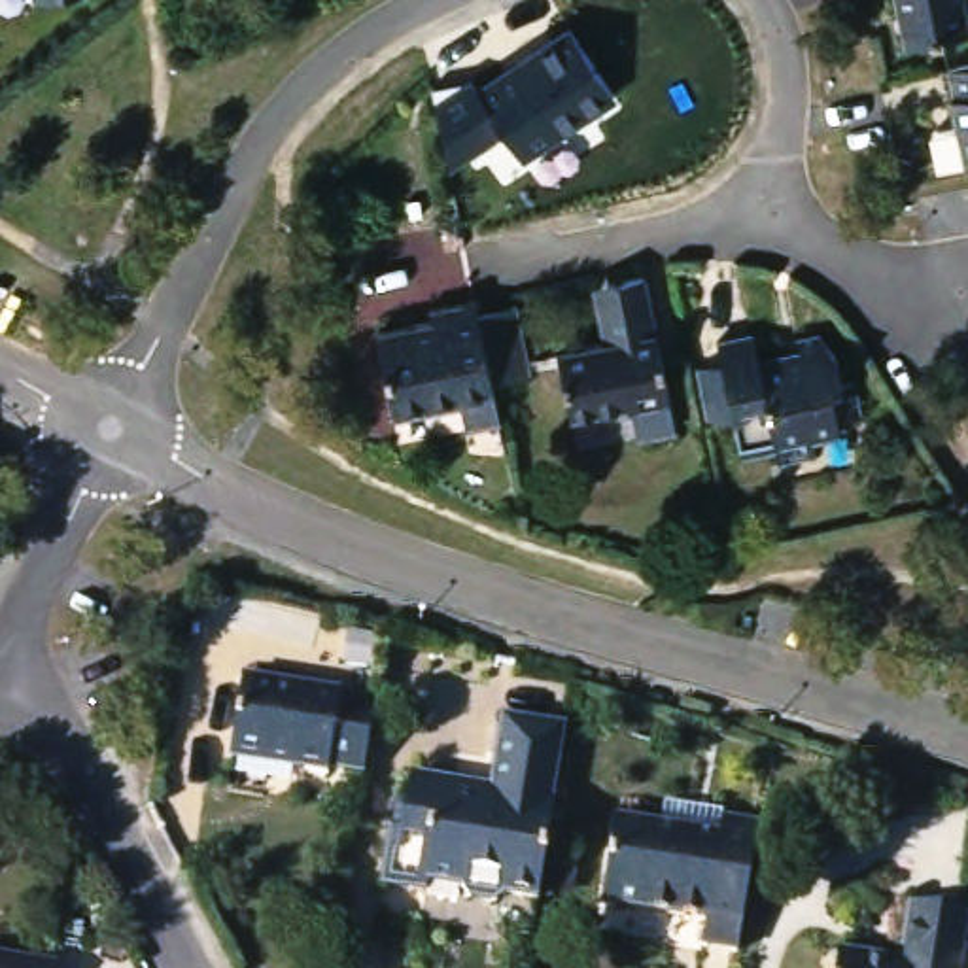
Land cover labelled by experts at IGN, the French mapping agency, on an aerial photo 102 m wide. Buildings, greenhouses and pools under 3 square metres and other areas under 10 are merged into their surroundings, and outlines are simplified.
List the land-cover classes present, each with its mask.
<instances>
[{"label":"impervious surface","instance_id":"1","mask_svg":"<svg viewBox=\"0 0 968 968\"><path fill-rule=\"evenodd\" d=\"M560 15L556 0H363V8L344 23V30L318 53L303 57L295 72L265 102H257L234 132L227 166L231 185L223 204L216 208L200 223L197 242L185 246L170 261L166 276L140 299L132 321L117 329L106 352L87 359L79 374H68L45 355L49 340L42 321L30 314L38 291L0 268V469H15L30 495V507L11 518V537L23 552L0 560V745L15 760L42 764L45 794L68 813L76 836H83L98 855V866L110 873L117 900L129 908L140 942V960H132L125 949L95 953L98 968H234L178 858L189 847L193 839H200V783H242L250 775L265 779L272 790H287L295 783L318 779L337 787L348 775L340 764L261 756L257 734L227 730V715L234 711V700H246L242 673L257 662H310L363 673L374 662V635L363 628L329 631L321 628L318 613L280 601L238 605L234 620L223 628V635L208 647L204 658L208 684L204 696L193 703L197 722L182 737V790L174 798L163 794L166 764L155 760L132 764L117 749L98 752L91 737H83L91 730L95 688L91 681H83V666L102 662L106 654L102 647L79 650V639L72 635H49L53 613L64 605H106V639H121L125 628L140 616L147 590L132 586L121 597L106 590L98 571L87 563V541L98 537L102 522L113 514H125V529L163 537L166 563L182 560L197 545L208 560L257 556L268 567L291 571L337 594H367L389 605H412L420 613H446L454 620H469L484 631L503 635L507 643L567 654L586 666L643 677L647 684L677 692H715L737 711L768 707L790 718L794 730L821 745L847 749V775L858 787H873L877 794V817L889 824L885 839L858 851L847 847L843 855H836L824 866V881H817L805 896L790 900L787 908L764 900L756 881H749L745 892L737 945L730 968H779L798 930L821 926L828 934H843L851 930L847 919L828 915V889L866 881L870 873L889 870L892 862H900L908 877L892 885V904L881 911L877 930L892 942L904 934L911 889L926 881H968V722L949 715L945 688H923L911 700L885 692V684L877 681V654L870 647L851 677L828 681L817 666H809V654L798 647L794 609L787 601H760L756 635L749 639L692 628L681 616H650L620 601L529 579L510 567L476 560L469 552L424 541L416 533L371 522L355 510H344L337 503H325L310 492H299L250 469L246 458L227 442H200V435L185 424L182 367H208L212 352L204 337L227 310L216 303V280L250 219L261 182L272 174L276 200L287 204L295 185V155L303 151L306 136L359 79L374 76L408 49H424L427 61L435 68L431 95V102L439 106L469 87V76L461 68L510 57L514 49L541 38ZM821 4V0H730V15L741 23L749 42L756 95L749 117L734 121L730 144L718 155H711L700 178L681 174L662 185L628 189L616 204L601 197L522 227L473 234L458 238L420 204H408L405 216L408 219L401 223L397 238H382L363 253L333 257V276L344 280V291H359L355 314L363 329L378 325L401 303H424L450 287H465L476 276H495L514 291V299L518 291H545L548 303L567 314L594 299L601 284L643 280L639 291L620 299V306L628 340L635 348H650L662 355L673 431H684V371H696L703 355H715L718 340L749 318L737 268L752 265L775 272V291L802 284L851 321L855 340H843L828 321L809 325L836 352L843 393L858 397L866 386V363H889V374L900 389H911V382H919L934 393L938 405H968V189H964V193H960V189H949V193H942V197H923V193H919L911 197V204H904L885 238H870L843 242L839 219L821 208V200L809 189L813 132H821L824 125L836 129L843 121L855 132L847 147L858 151H866L877 140L885 136V113L892 106H900L911 95H938L945 91V79L934 76L904 79L885 95H877L870 106L828 110L809 91V64L817 61L809 49H798V34L813 30ZM681 261L703 268L700 306L692 314L673 318L666 295V265ZM934 174H960V166L957 136H934ZM473 170H492L499 182L533 178L537 185H560L579 170V159L556 155L522 163L510 147L495 144L480 151L473 163ZM446 427L469 450L499 458L503 446L499 431H476L461 412H427L412 424H397V431L401 442L416 446L431 431ZM851 465L847 442H832L821 458H813L802 461L798 473L836 469ZM495 681L476 684L469 692V707L458 718L427 730L412 734L397 749L389 771V798H405L408 768H416L420 756L442 745L458 749V760L488 764L495 756V734L507 711V696L514 688H537L560 700L567 696L563 681L526 677L518 673L514 658L499 654ZM537 892L526 881L510 885L503 877H495V885H484L469 870L458 881L439 877L431 885H416L412 896L420 908H427L435 919L465 923L476 942H499L503 919L522 915ZM609 911L601 915L594 926L597 945L605 953L597 968H647V957L662 953L669 942L681 964L696 960L703 938V911L681 908L673 900L635 908L624 896H605Z\"/></svg>","mask_w":968,"mask_h":968},{"label":"herbaceous vegetation","instance_id":"2","mask_svg":"<svg viewBox=\"0 0 968 968\"><path fill-rule=\"evenodd\" d=\"M76 8L68 0H0V76L34 42H42L49 30L72 19ZM144 0H132L102 38L87 45L68 42L72 53L64 64H45L30 83L0 87V159L15 151L30 170H38L30 189H0V219L15 223L19 231L34 234L38 242L72 261V272L64 276L0 238V268L38 291L57 295L64 287L79 314L110 318L117 329L132 321L140 299L117 280L113 261H98V246L113 227L121 197L91 193L87 163L98 159L132 170L140 166L144 144L155 136L151 61L140 19ZM363 8V0H321L318 19L303 26L299 42L250 45L246 53H234L219 64H197L189 72L170 68V113L155 170L182 193L208 200L216 208L223 204L231 185L227 166L216 159H197L185 140L204 132L208 125L234 132L257 102H265L295 72L303 57L318 53L344 30V23ZM560 15L571 23L582 49L594 57L597 72L609 79L624 106L620 117L601 129V144H594L579 159V170L560 185H537L533 178L499 182L492 170H480L473 178V234L522 227L601 197L616 204L628 189L662 185L681 174L700 178L711 155H718L730 144L734 121L749 117L756 95L749 42L741 23L730 15V0H556ZM673 87L688 91V113L673 106ZM821 4L839 23H847L862 42L847 68L817 61L809 64V91L828 110L870 106L877 95H885L881 53L873 42H866L881 23V4L889 0H821ZM427 61L424 49H408L374 76L359 79L306 136L303 151L295 155V185L306 197H314L321 185L352 170V178L371 197H378L389 216H405L408 204L412 174L427 170L424 147H439V106L431 102V95L416 98L412 106L405 102L397 113L405 121L397 132L401 159H355L348 147L374 121L382 95L389 87H401ZM855 132L843 121L836 129L824 125L821 132H813L809 189L821 200V208L839 219L843 242L870 238L858 208L843 204V185L855 182L858 151L847 147ZM949 189H960V193H964V189H968V166H960V174H930V178H926V182L919 185V193H923V197H942V193H949ZM287 204L276 200L272 174L261 182L250 219L216 280V303L227 310L231 291L246 276H287ZM703 268L681 261L666 265V295L673 318L692 314L700 306ZM749 318L809 325L828 321L843 340H855L851 321L802 284L775 291V272L752 265L737 268ZM318 348L306 337L291 344V371L284 378L306 382ZM45 355L68 374H79L87 359L106 352L98 340H49ZM571 397L560 386L556 359H545L537 363V378L529 386L533 461L556 465L563 458L571 469L594 476L597 484L590 492L582 522L609 526L628 537L647 533L658 522V514L673 522L692 518L707 537H730L734 522L749 510V488L775 480L779 473H798L802 461L813 458L805 442H798V435L787 439L771 431L768 439H749L741 427L734 435L737 450L726 458L730 473L700 480V442L684 431H673V439L666 442L643 446L624 442L616 427L605 424L563 427ZM185 424L200 435V442H227V431L242 416L231 401H223L212 389L208 367H182ZM938 469L953 484L945 495L934 499L938 514L968 510V420H960L953 450H934ZM250 469L299 492H310L325 503H337L344 510H355L371 522L416 533L424 541L469 552L476 560L510 567L529 579L620 601L650 616H677L669 601H662V594L647 582L643 590H628L620 582L594 579L563 563L514 552L480 533L431 518L393 495L363 488L318 454L299 450L284 431H261L246 458ZM435 503L492 522L503 514V499L518 495V476L514 454L503 446L499 458L469 450L424 492ZM858 484L839 473L832 488H798L794 518L817 522L858 510ZM919 518L904 514L870 526L817 533L805 541H783L771 552L749 560L745 571L817 567L821 575L839 552L851 548L873 552L892 579L904 571V548ZM760 601H787L794 609L821 624H839V605L821 597L813 582H764L745 594L711 590L700 597L696 609L681 616L692 628L749 639L756 635ZM238 605L234 597H219V605L200 609L185 605L178 590H170L159 605V624L166 628L170 647L159 666L140 669L144 707L155 726V760L166 764L163 794L174 798L182 790V737L197 722L193 703L204 696L208 684L204 658L208 647L223 635V628L234 620ZM499 654L484 658L473 647L412 654L405 647H382L374 654V662L363 673L382 669L389 684H397L408 696L427 730L458 718L469 707V692L476 684L495 681ZM563 662L571 666V673L605 684L616 703V722L601 730L594 741L582 734L579 722L567 734L560 794L552 817L545 821L548 847L541 889L560 896L571 885H594L601 847L609 839V813L616 805H635L647 794L662 802L677 794L692 802H722L726 790H737L756 805L787 783H802L809 768H832L836 760H847V749L821 745L794 730L783 749H752L749 737L737 734L711 745L715 737L707 730L677 722L673 737L681 752L673 760H654V775L635 783L628 779V768L635 760H647L650 707H669L677 692L647 684L643 677L586 666L567 654ZM367 764L355 775V832H340L329 870L314 873L310 881L299 877L295 862L306 851H314L321 813L318 802H303V790L295 783L287 790H272L265 779L250 775L242 783H200V839H193L189 847L200 858H216L238 881L242 896H257L261 885L276 877L306 904H318L344 930V968H401L405 926L420 908L412 896L397 885H382L371 858V851L382 843L378 832L389 817V771L397 749L386 741L378 722L367 726ZM34 885V870L8 866L0 873V934H15L11 908ZM843 934H828L821 926L798 930L779 968H839ZM737 945L703 938L696 960L681 964L669 942L662 953L647 957V968H730Z\"/></svg>","mask_w":968,"mask_h":968},{"label":"building","instance_id":"3","mask_svg":"<svg viewBox=\"0 0 968 968\"><path fill-rule=\"evenodd\" d=\"M881 23L892 30L896 57H934V76L945 79V91L938 95V110L930 113L934 136H957L960 166H968V0H889L881 4ZM469 76V87L439 106V147L442 163H473L480 151L495 144L510 147L522 163L556 155L579 159L594 144H601V129L620 117L624 106L609 79L597 72L594 57L582 49L571 23L560 15L541 38L514 49L510 57L461 68ZM545 359L522 333V314L514 299V291L495 276H476L465 287H450L424 303H401L378 325L363 329H352L344 340H329L318 348L306 382L310 389H318L340 378L348 393H378V420L397 431V424H412L427 412H461L476 431H499L492 389L510 382L529 386L537 378V363ZM643 280L601 284L594 299L567 314L579 337L575 348L560 352L556 359L560 386L571 397L563 427L605 424L616 427L624 442L643 446L666 442L673 439V431L662 355L650 348H635L628 340L620 306V299L639 291ZM684 431L707 424L726 427L734 435L741 427L749 439H768L771 431L787 439L798 435V442H805L813 458H821L832 442H847L855 439V420L873 401L866 386L858 397L843 393L836 352L809 325L749 318L718 340L715 355H703L696 371H684ZM246 700H234V711L227 715V730L257 734L261 756L340 764L348 775H355L367 764V726L378 722L363 673L310 662H257L242 673ZM579 722V715H571L560 700L537 688H514L507 696V711L495 734V756L488 764L458 760V749L442 745L420 756L416 768H408L405 798H389V817L378 832L382 843L371 851V858L382 885H397L412 896L416 885H431L439 877L458 881L469 870L484 885H495V877H503L510 885L526 881L537 892L541 889L548 847L545 821L552 817L560 794L567 734ZM749 881H756V805L737 790H726L722 802H692L677 794L662 802L647 794L635 805H616L609 813V839L601 847L594 885L590 904L601 915L609 911L605 896H624L635 908L673 900L681 908L703 911V938L737 945L745 892ZM839 968H968V881H926L911 889L904 934L892 942L877 930H851L843 934ZM0 968H98L95 953L72 949L68 934H57L53 949H30L15 934H0Z\"/></svg>","mask_w":968,"mask_h":968},{"label":"deciduous trees","instance_id":"4","mask_svg":"<svg viewBox=\"0 0 968 968\"><path fill-rule=\"evenodd\" d=\"M170 68L189 72L197 64H219L234 53H246L250 45L299 42L303 26L318 19L321 0H155ZM843 204L858 208L870 238H885L904 204L896 197V163L877 140L866 151H858L855 182L843 185ZM91 193L121 197L136 200V208L132 223L125 227L129 242L113 261L117 280L140 299L166 276L170 261L185 246L197 242L200 223L216 208L208 200L182 193L155 170L151 182H136L132 170L98 159L87 163ZM287 276H246L231 291L227 310L204 337L212 352L208 367L212 389L223 401H231L242 416L280 408L291 416V427L284 431L299 450L318 454V446L325 442L337 446L352 439L359 427H374L378 420V393H348L340 378L318 389H310L306 382L284 378L291 371V344L306 337L318 348L329 340H344L352 329H363L355 314L359 291H344V280L333 276V257L363 253L382 238H397L401 223L408 219L405 216H389L378 197H371L352 178V170L321 185L314 197H306L295 185L287 204ZM30 314L42 321L49 340H98L106 352L117 329L110 318L79 314L64 287L57 295L38 291ZM522 314V333L545 359H556L560 352L575 348L579 337L567 314L548 303L545 291H518L514 299ZM866 386L873 401L855 420V439L847 442L851 465L836 469L839 473L858 484V510L870 526L904 514L919 518L904 548V571L892 579L873 552L851 548L839 552L821 575L813 582L821 597L839 605V624H821L794 609L798 647L809 654V666H817L828 681L851 677L870 647L877 654V681L885 684V692L911 700L923 688H945L949 715L968 722V510L938 514L934 499L945 495L953 484L938 469L934 450H953L960 420H968V405H938L934 393L919 382H911V389H900L889 374V363H866ZM597 484L594 476L571 469L563 458L556 465L533 461V469L518 476V495L503 499V514L492 522L533 541L560 545L567 552L631 567L647 582L662 594V601H669L677 616H681L696 609L700 597L711 590V582L737 579L745 571L749 560L771 552L783 541L771 533V522L749 510L734 522L730 537H707L692 518L673 522L658 514V522L647 533L628 537L609 526L582 522L590 492ZM30 507V495L15 469H0V560L23 552L11 537V518ZM76 836L68 813L45 794L42 764L15 760L0 745V873L8 866L34 870L57 877V870L64 866V843ZM889 824L877 817V794L873 787H858L847 775V760H836L832 768H809L802 783H787L756 805V881L764 900L787 908L790 900L805 896L817 881H824V866L836 855H843L847 847L858 851L885 839Z\"/></svg>","mask_w":968,"mask_h":968},{"label":"brushwood","instance_id":"5","mask_svg":"<svg viewBox=\"0 0 968 968\"><path fill-rule=\"evenodd\" d=\"M76 8L72 19L49 30L42 42H34L0 76V87L30 83L45 64H64L72 53L68 42L87 45L102 38L132 0H68ZM862 42L847 23H839L821 4L813 30L798 34V49H809L817 61L847 68ZM866 42H873L881 53L885 95L904 79L934 76V57H896L892 30L881 23ZM435 68L427 61L401 87H389L382 95L374 121L348 147L355 159H401L397 132L405 121L397 113L405 102L412 106L416 98L431 95ZM938 110V95H911L900 106H892L885 113V136L877 140L896 163V197L904 204H911V197L919 193V185L926 182V178H930V174H934V136L930 113ZM234 132L208 125L204 132L185 140L197 159H216L227 166ZM427 170L412 174L408 204H420L458 238L473 234V178L480 170H473V163H442L439 147H424ZM38 170H30L15 151L0 159V189H30ZM499 431L503 446L514 454L518 476L533 469V461L529 386L510 382L492 389ZM363 469L424 492L469 450L446 427L431 431L416 446L401 442L397 431L378 420L374 427H359L352 439L337 446ZM700 442V480L730 473L726 458L737 450L734 435L726 427L707 424L684 431ZM839 473L836 469L798 473H779L775 480L749 488V510L771 522V533L783 541H805L817 533L870 526L858 510L817 522L794 518L798 488H832ZM125 514H113L102 522L98 537L87 541V563L98 571L106 590L121 597L132 586L147 590L140 616L125 628L121 639H106V605H64L53 613L49 635H72L79 639V650L102 647L106 654L102 662L83 666V681H91L95 688L91 730L83 737H91L98 752L117 749L132 764L155 760V726L144 707L140 669L159 666L170 647L166 628L159 624V605L170 590H178L185 605L200 609L219 605V597H234L238 605L280 601L318 613L321 628L329 631L363 628L374 635V654L382 647H405L412 654L473 647L484 658L499 654L514 658L518 673L526 677L563 681L567 696L560 700L571 715H579V722L582 734L594 741L601 730L616 722V703L605 684L571 673V666L563 662L567 654L507 643L503 635L484 631L469 620H454L446 613H420L412 605H389L367 594H337L291 571L268 567L257 556L208 560L197 545L182 560L166 563L163 537L125 529ZM378 722L386 741L397 749L412 734L427 730L408 696L397 684H389L382 669L363 673ZM677 722L707 730L715 737L711 745L737 734L749 737L752 749H783L794 730L790 718L768 707L737 711L715 692H677L669 707H650L647 760H635L628 768V779L635 783L654 775V760H673L681 752L673 737ZM303 790V802H318L321 813L314 851H306L295 862L299 877L310 881L314 873L329 870L340 832H355V775H348L337 787L318 779L295 783ZM15 934L30 949H53L57 934H68L72 949L95 953L125 949L132 960H140V942L129 908L117 900L110 873L98 866V855L83 836H76L64 843V866L57 870V877L34 870V885L11 908ZM178 858L234 968H344V930L318 904H306L276 877L261 885L257 896H242L238 881L216 858H200L189 847ZM908 877L900 862H892L889 870L870 873L866 881L828 889V915L847 919L851 930H877L881 911L892 904V885ZM594 885H571L560 896L541 889L537 892L522 915L503 919L499 942H476L465 923L435 919L427 908H420L405 926L401 968H597L605 953L597 945L594 926L601 915L590 904Z\"/></svg>","mask_w":968,"mask_h":968},{"label":"pervious surface","instance_id":"6","mask_svg":"<svg viewBox=\"0 0 968 968\"><path fill-rule=\"evenodd\" d=\"M140 19L151 61L155 136L144 144L140 166L132 170L136 182H151L155 170L170 113V68L155 0H144ZM136 208V200L121 197L113 227L98 246V261H113L129 242L125 227L132 223ZM0 238L64 276L72 272V261L38 242L34 234L19 231L15 223L0 219ZM284 431L291 427V416L280 408L242 416L227 431V442L246 458L261 431ZM363 488L393 495L431 518L480 533L514 552L563 563L594 579L620 582L628 590H643L647 582L631 567L567 552L560 545L533 541L492 522L435 503L424 492L363 469L337 446L325 442L318 446V454ZM821 575L817 567L745 571L737 579L711 582V590L745 594L764 582H813Z\"/></svg>","mask_w":968,"mask_h":968},{"label":"swimming pool","instance_id":"7","mask_svg":"<svg viewBox=\"0 0 968 968\"><path fill-rule=\"evenodd\" d=\"M673 106L688 113V91L673 87Z\"/></svg>","mask_w":968,"mask_h":968}]
</instances>
